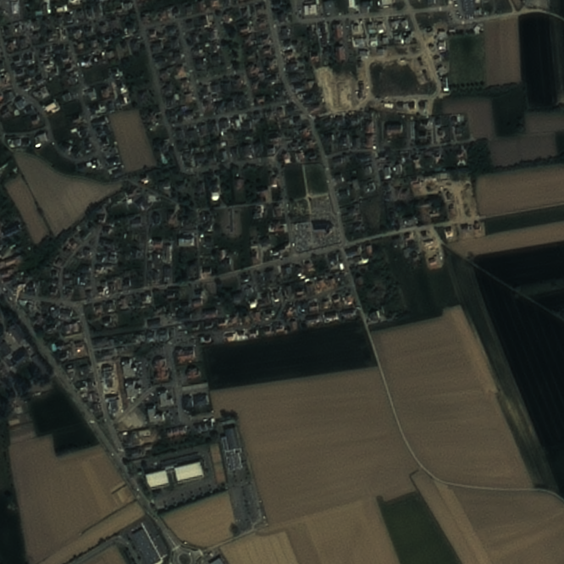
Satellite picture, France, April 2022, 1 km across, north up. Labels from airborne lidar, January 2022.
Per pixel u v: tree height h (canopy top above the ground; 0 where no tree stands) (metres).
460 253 0
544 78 0
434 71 0
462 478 0
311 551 0
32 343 15
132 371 0
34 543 0
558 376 0
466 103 0
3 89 0
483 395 0
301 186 0
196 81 0
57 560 0
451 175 0
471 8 0
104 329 8
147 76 0
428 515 0
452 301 0
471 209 0
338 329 0
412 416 0
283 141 0
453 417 0
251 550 0
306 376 0
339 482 0
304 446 0
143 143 0
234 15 9
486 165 6
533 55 0
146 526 0
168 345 0
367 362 0
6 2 0
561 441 0
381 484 0
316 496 0
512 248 0
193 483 0
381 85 0
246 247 0
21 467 0
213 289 0
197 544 0
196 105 0
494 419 0
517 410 0
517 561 0
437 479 0
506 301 0
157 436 0
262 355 0
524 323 0
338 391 0
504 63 0
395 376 0
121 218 7
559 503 0
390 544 0
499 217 0
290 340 0
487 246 0
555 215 0
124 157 0
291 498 0
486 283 0
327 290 0
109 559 0
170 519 0
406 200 0
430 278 0
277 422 0
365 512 0
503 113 0
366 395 0
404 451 0
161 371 0
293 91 0
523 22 0
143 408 0
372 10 0
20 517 0
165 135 0
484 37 0
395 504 0
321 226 0
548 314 0
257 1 0
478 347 0
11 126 0
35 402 0
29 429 0
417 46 0
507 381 0
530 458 0
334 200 0
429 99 0
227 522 0
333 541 0
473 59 0
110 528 0
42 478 0
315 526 0
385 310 0
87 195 0
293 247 0
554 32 0
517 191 0
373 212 0
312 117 0
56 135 0
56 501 0
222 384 0
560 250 0
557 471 0
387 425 0
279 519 0
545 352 0
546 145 0
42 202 0
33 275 7
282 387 0
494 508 0
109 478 0
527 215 0
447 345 0
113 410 0
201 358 0
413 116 0
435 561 0
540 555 0
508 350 0
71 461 0
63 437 0
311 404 0
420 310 0
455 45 0
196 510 0
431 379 0
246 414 0
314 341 0
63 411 0
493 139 0
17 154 0
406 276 0
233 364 0
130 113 0
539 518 0
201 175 7
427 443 0
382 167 0
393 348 0
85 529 0
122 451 0
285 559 0
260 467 0
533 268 0
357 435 0
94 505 0
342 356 0
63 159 0
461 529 0
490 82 0
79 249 0
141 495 0
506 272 0
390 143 0
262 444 0
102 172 0
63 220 0
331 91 0
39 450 0
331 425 0
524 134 0
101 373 0
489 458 0
